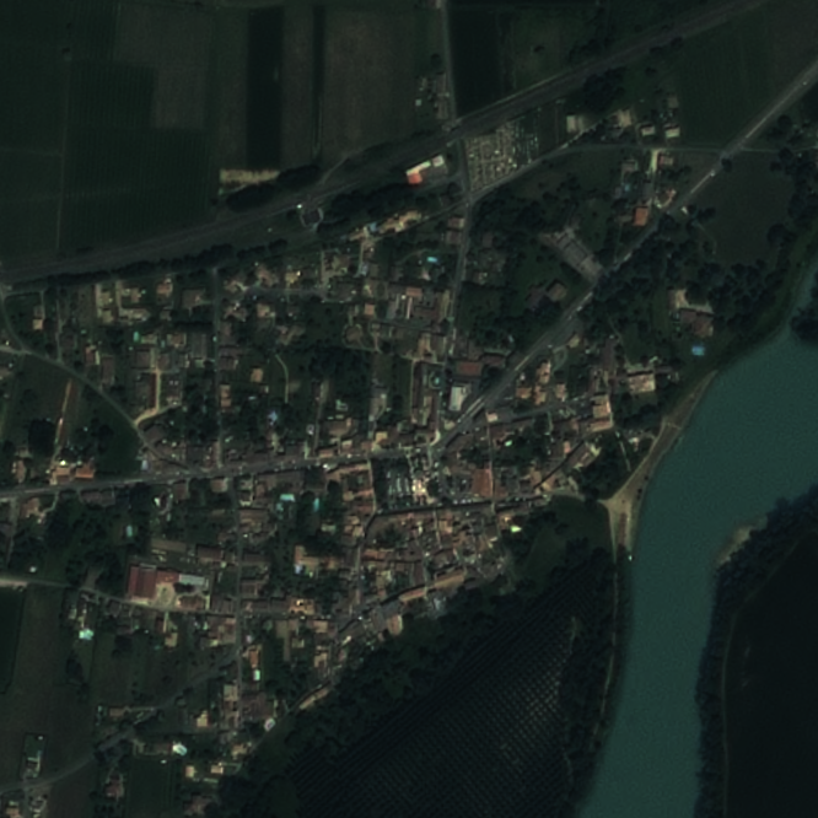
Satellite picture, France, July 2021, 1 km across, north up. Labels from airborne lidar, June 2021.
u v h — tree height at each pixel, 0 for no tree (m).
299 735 11
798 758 0
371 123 0
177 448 0
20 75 0
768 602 0
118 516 11
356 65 0
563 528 14
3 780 0
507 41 0
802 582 0
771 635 0
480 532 0
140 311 0
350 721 12
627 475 21
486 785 17
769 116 0
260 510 0
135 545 8
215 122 0
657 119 7
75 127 0
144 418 0
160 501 0
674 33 0
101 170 0
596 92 21
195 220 0
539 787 25
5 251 0
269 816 26
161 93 0
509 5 0
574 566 13
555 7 0
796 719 0
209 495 7
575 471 8
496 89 0
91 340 0
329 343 6
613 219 7
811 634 0
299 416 6
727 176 0
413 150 0
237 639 0
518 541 7
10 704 0
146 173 0
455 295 0
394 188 12
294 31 0
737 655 0
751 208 0
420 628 0
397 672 16
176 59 0
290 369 0
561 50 0
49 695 0
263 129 0
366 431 6
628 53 0
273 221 0
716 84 0
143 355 0
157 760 0
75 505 7
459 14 0
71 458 13
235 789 32
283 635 0
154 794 0
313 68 0
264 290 0
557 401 0
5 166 0
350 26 0
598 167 0
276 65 0
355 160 0
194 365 0
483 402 0
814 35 0
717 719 28
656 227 0
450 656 28
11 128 0
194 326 11
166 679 7
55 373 0
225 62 0
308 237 0
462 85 0
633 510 0
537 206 12
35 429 15
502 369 20
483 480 0
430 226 0
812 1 0
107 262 0
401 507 9
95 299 0
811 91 0
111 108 0
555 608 21
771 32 0
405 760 21
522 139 0
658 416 18
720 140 0
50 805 0
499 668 22
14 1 0
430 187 0
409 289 0
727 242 0
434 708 20
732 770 0
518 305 0
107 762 27
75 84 0
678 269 30
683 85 0
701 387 0
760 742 0
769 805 0
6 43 0
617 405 14
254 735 11
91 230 0
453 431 0
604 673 16
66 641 0
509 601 22
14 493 0
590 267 0
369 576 8
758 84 0
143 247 0
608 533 0
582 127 0
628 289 21
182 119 0
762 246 0
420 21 0
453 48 0
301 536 7
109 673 0
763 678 0
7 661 0
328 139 0
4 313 0
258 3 0
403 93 0
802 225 6
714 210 11
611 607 8
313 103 0
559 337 0
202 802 0
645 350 0
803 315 17
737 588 30
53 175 0
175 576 0
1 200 0
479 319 8
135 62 0
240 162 0
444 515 0
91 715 0
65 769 0
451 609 17
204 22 0
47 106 0
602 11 11
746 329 16
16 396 0
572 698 30
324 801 13
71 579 6
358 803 23
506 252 6
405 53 0
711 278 19
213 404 17
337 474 0
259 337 0
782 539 29
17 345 0
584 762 23
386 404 0
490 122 0
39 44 0
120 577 17
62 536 18
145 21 0
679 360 12
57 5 0
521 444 6
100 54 0
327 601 7
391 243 8
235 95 0
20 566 9
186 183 0
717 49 0
